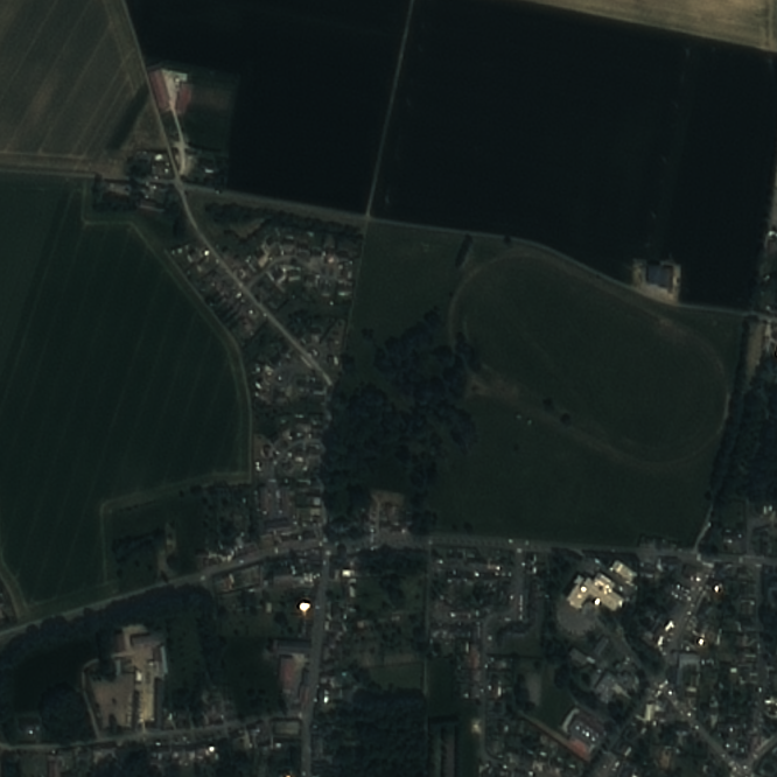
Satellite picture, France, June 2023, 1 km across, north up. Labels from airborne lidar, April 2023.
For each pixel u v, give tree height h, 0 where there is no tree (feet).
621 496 0
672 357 0
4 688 56
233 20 0
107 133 0
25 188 0
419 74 0
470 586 0
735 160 0
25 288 0
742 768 0
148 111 0
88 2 0
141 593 0
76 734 51
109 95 0
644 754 33
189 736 0
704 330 0
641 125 0
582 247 0
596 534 0
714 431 0
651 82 0
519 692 51
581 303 0
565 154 0
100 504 0
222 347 0
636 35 0
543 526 0
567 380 0
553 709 0
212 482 0
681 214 0
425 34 0
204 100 0
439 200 0
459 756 30
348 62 0
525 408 0
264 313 0
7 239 0
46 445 0
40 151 0
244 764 50
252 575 0
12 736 53
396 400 0
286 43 0
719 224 0
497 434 0
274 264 0
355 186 0
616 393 0
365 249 0
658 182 0
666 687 0
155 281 0
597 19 0
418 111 0
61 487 0
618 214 0
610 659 0
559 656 54
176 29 0
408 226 0
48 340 0
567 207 0
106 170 0
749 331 35
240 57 0
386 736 93
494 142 0
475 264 0
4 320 0
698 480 0
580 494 0
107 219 0
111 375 0
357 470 96
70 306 0
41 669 0
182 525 0
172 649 39
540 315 0
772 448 62
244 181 0
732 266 0
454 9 0
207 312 0
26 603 0
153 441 0
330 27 0
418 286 0
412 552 19
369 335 51
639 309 0
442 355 57
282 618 49
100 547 0
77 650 0
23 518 0
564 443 0
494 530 0
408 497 0
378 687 28
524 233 0
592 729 0
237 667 0
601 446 0
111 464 0
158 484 0
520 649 0
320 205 0
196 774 22
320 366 0
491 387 0
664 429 0
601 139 0
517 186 0
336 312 0
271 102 0
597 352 0
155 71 0
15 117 0
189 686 21
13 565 0
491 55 0
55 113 0
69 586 0
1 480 0
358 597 0
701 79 0
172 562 40
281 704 40
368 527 0
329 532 51
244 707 0
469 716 0
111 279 0
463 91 0
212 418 0
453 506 0
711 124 0
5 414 0
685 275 0
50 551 0
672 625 0
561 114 0
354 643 25
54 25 0
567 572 44
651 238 0
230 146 0
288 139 0
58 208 0
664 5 0
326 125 0
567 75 0
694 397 0
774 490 70
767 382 20
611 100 0
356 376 0
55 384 0
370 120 0
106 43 0
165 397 0
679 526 0
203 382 0
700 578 0
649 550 0
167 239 0
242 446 0
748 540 0
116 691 0
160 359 0
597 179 0
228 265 0
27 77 0
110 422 0
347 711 51
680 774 19
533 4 0
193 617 0
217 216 18
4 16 0
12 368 0
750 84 0
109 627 50
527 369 0
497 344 0
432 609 0
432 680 0
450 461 0
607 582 0
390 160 0
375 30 0
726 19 0
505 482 0
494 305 0
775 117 0
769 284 26
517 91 0
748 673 0
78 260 0
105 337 0
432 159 0
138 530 0
